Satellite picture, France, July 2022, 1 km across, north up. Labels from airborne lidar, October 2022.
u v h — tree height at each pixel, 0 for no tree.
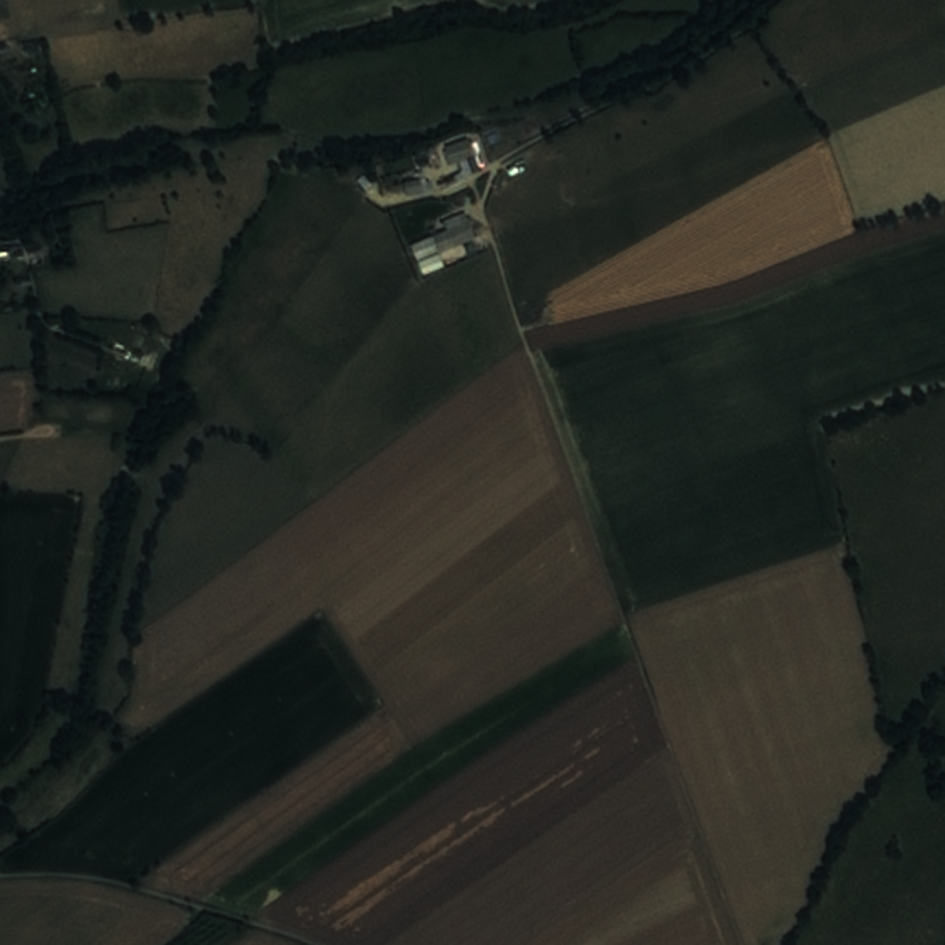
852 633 0
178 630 0
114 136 0
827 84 0
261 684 0
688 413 0
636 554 0
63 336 7
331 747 0
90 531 0
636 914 0
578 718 0
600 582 0
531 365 0
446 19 10
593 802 0
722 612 0
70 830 0
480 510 0
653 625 0
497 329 0
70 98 0
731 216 0
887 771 10
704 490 0
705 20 16
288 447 0
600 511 0
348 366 0
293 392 0
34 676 0
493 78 0
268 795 0
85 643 10
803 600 0
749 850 0
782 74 8
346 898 0
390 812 0
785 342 0
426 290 0
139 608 21
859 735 0
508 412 0
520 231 0
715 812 0
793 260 0
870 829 0
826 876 16
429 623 0
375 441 0
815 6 0
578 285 0
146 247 0
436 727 0
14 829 9
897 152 0
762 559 0
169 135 6
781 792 0
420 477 0
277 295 0
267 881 0
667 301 0
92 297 0
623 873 0
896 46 0
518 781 0
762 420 0
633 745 0
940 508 0
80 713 16
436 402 0
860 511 0
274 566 0
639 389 0
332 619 0
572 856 0
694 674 0
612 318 0
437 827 0
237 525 0
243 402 0
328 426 0
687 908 0
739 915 0
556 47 0
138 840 0
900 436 0
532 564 0
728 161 0
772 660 0
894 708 0
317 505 0
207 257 0
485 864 0
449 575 0
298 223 0
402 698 0
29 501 0
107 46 0
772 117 0
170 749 0
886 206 0
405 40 8
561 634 0
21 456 0
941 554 0
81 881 0
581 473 0
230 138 10
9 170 15
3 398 0
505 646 0
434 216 0
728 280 0
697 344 0
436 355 0
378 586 0
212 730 0
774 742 0
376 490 0
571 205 0
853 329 0
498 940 0
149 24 20
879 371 0
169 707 0
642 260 0
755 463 0
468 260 0
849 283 0
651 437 0
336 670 0
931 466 0
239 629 0
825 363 0
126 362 0
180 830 0
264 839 0
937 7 0
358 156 15
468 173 0
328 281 0
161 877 0
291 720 0
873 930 0
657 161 0
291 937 0
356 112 0
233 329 0
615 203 0
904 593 0
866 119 0
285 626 0
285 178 0
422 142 16
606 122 0
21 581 0
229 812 0
